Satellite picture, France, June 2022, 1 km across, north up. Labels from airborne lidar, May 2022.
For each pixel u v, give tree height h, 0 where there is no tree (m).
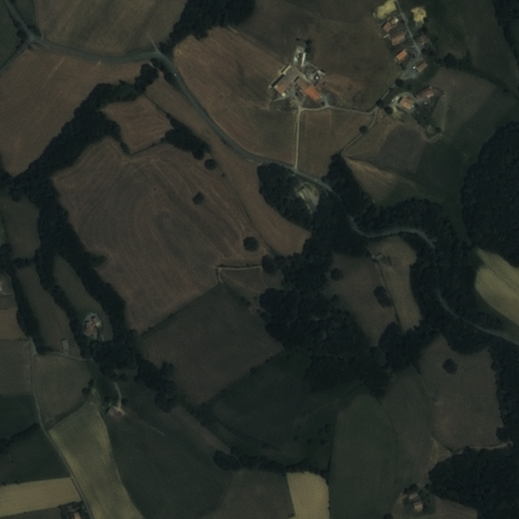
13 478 0
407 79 0
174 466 0
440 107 0
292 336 22
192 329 0
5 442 13
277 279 0
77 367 0
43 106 0
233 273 0
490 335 8
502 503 25
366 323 0
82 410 0
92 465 0
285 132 0
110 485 0
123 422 0
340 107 0
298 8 0
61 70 0
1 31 0
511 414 16
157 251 0
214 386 0
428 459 0
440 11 0
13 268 16
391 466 0
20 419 0
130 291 0
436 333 15
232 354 0
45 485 0
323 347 21
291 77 0
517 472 21
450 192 0
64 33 0
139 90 13
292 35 0
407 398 0
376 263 19
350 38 0
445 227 18
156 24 0
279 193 19
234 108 0
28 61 0
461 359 0
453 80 0
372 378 17
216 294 0
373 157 0
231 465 20
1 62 0
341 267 0
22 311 20
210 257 0
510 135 27
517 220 18
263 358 0
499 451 10
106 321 0
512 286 0
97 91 15
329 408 0
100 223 0
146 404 0
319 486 0
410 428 0
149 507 0
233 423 0
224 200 0
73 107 0
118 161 0
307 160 0
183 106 0
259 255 0
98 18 0
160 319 0
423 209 20
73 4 0
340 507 0
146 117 0
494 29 0
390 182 0
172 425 0
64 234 26
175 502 0
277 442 0
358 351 22
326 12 0
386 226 22
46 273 20
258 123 0
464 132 0
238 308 0
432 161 0
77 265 22
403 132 0
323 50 0
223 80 0
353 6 0
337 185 21
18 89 0
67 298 11
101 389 0
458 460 19
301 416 0
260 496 0
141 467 0
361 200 16
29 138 0
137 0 0
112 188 0
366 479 0
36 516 0
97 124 22
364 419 0
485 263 0
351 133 0
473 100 0
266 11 0
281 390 0
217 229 0
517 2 24
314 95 0
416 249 6
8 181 20
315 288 17
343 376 16
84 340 17
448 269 19
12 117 0
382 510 0
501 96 0
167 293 0
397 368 23
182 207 0
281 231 0
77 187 0
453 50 0
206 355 0
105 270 0
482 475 20
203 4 28
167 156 0
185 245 0
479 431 0
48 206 26
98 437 0
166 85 0
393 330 24
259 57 0
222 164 0
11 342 0
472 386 0
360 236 15
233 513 0
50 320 0
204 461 0
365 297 0
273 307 19
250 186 0
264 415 0
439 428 0
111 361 17
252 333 0
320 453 0
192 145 23
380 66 0
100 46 0
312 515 0
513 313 0
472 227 19
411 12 0
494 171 23
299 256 20
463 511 0
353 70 0
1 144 0
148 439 0
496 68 0
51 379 0
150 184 0
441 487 23
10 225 0
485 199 18
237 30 0
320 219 21
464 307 25
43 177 22
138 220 0
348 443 0
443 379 0
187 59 0
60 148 25
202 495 0
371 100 0
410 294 0
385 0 0
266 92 0
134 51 0
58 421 0
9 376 0
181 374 0
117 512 0
